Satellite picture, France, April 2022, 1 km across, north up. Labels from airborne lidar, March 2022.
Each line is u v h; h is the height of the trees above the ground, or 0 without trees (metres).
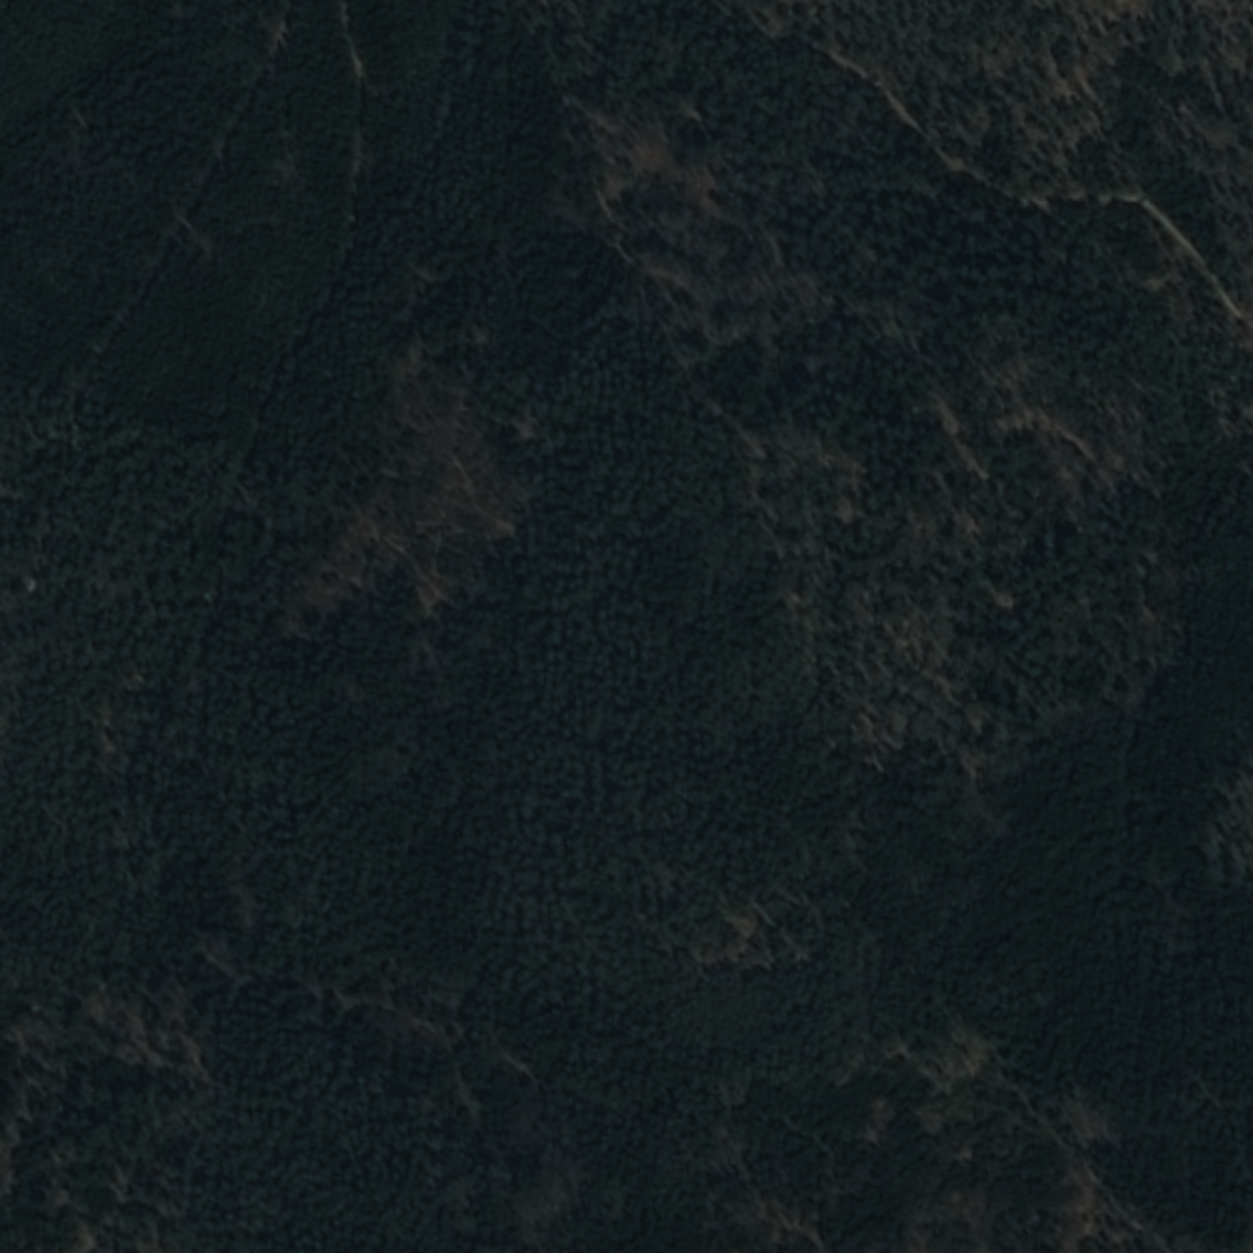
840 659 23
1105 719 19
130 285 18
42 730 21
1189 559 12
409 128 15
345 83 20
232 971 31
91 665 34
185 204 19
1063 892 27
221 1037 11
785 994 19
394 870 24
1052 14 33
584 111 25
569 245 20
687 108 26
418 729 24
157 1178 6
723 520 17
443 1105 6
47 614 15
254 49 19
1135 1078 29
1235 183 28
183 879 18
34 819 22
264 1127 23
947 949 18
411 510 8
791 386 7
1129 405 28
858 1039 29
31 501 15
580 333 21
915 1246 13
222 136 20
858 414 27
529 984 29
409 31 17
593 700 27
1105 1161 22
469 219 23
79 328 16
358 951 30
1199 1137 24
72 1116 9
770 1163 10
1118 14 26
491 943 25
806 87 26
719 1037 19
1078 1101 24
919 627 30
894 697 30
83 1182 6
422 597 23
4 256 16
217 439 21
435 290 6
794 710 22
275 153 23
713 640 26
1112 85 25
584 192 18
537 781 23
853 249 29
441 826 20
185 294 21
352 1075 28
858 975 23
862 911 20
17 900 24
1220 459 6
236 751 28
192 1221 25
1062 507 36
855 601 30
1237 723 11
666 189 8
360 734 26
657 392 31
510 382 25
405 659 23
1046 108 34
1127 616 13
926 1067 18
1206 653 15
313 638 24
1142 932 22
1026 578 30
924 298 13
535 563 18
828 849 22
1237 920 11
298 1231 21
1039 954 23
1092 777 27
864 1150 10
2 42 14
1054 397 27
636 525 21
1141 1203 22
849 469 26
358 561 7
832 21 26
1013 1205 11
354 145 15
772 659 28
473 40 30
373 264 29
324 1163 26
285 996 24
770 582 18
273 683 29
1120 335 31
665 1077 29
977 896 20
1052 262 39
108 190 21
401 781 23
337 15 17
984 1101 10
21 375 16
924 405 36
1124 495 29
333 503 29
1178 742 17
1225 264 22
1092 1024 23
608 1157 20
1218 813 9
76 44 16
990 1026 17
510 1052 22
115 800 27
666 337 27
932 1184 13
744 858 15
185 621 35
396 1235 25
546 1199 21
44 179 21
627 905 16
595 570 23
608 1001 27
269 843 26
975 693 10
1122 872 21
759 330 32
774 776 28
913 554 31
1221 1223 25
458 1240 24
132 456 8
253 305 14
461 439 7
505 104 22
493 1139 12
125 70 27
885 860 20
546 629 27
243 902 29
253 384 22
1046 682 40
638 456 25
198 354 18
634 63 31
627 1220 24
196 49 19
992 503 31
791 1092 11
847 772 15
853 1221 13
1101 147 16
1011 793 20
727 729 21
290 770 33
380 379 29
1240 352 6
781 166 24
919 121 11
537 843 25
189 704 11
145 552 24
